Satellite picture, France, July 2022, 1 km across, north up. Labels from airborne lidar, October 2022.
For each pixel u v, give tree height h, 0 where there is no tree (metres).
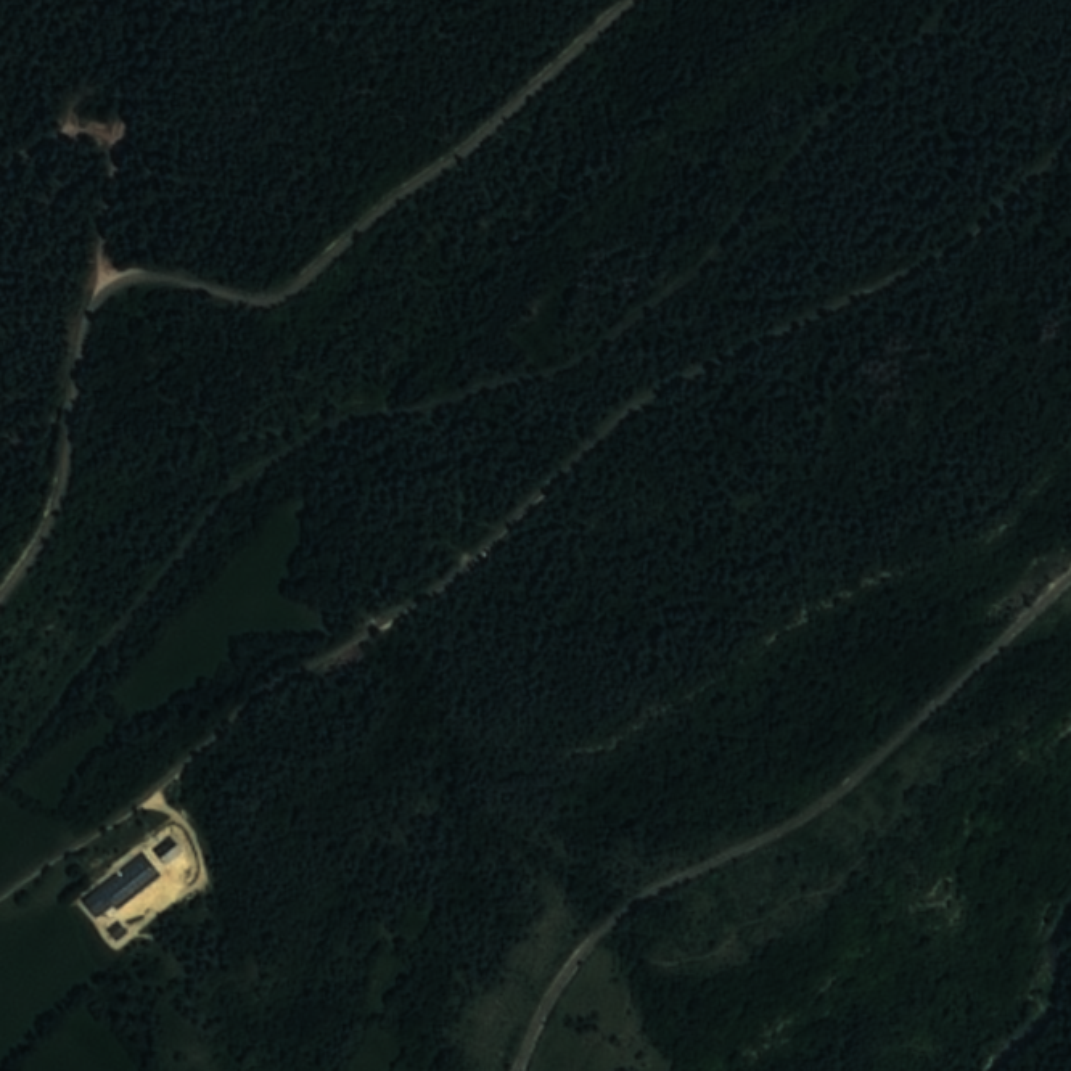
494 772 8
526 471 24
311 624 0
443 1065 21
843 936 13
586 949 0
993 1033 6
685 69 25
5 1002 0
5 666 10
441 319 15
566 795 16
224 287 17
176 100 17
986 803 9
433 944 7
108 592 18
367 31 9
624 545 18
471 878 18
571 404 20
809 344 18
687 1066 11
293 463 18
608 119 10
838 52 21
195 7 25
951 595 6
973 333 8
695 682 18
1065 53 28
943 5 11
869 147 22
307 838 12
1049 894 13
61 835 0
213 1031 11
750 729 13
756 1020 10
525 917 8
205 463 14
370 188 18
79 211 23
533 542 13
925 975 11
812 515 10
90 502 7
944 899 15
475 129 14
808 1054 8
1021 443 20
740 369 28
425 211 15
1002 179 31
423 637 21
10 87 16
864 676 13
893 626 19
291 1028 19
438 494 21
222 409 20
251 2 18
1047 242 22
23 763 20
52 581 6
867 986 7
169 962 0
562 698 13
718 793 9
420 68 10
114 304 9
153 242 8
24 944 0
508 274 15
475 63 14
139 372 26
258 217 19
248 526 15
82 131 0
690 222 24
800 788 6
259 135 16
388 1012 12
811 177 16
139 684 0
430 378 6
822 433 15
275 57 16
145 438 23
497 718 12
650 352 24
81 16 7
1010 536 6
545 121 22
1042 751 24
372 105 22
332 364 19
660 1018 12
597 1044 0
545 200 12
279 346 13
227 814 13
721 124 20
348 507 14
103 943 0
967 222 15
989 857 11
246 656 23
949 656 17
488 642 17
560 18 23
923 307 16
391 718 12
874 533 23
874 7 22
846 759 21
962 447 12
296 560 14
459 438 27
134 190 20
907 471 19
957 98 26
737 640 16
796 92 19
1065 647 9
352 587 18
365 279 19
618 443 10
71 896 14
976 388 16
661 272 18
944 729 17
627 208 14
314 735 14
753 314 23
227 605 0
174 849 0
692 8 21
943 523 11
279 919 9
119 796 9
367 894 21
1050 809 12
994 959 8
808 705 17
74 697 17
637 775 10
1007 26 26
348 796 6
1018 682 9
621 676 6
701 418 18
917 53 26
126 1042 6
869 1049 23
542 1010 0
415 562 23
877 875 7
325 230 18
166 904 0
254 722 18
